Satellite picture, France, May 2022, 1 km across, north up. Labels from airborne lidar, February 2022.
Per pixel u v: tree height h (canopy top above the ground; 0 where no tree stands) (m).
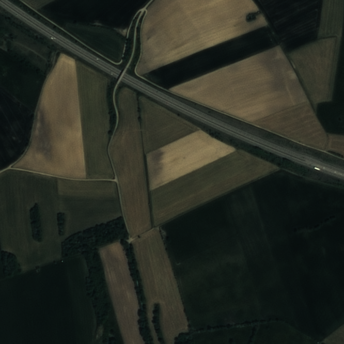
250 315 0
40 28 0
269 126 0
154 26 0
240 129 0
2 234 0
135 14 0
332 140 0
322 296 0
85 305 0
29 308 0
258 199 0
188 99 0
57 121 0
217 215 0
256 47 0
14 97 0
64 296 0
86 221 0
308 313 0
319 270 0
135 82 0
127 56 7
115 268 0
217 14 0
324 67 0
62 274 0
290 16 0
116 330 0
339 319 0
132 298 0
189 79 0
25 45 0
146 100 0
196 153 0
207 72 0
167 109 0
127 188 0
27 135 0
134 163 0
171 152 0
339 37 0
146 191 0
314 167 0
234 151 0
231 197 0
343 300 0
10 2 0
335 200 0
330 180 0
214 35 0
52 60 0
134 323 0
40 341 0
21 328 0
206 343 0
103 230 8
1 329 0
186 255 0
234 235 0
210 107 0
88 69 0
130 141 0
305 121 0
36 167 0
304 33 0
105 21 0
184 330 0
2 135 0
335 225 0
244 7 0
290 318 0
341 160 0
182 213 0
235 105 0
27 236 0
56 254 0
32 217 8
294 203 0
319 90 0
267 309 0
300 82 0
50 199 0
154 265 0
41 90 0
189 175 0
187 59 0
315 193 0
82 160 0
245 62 0
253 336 9
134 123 0
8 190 0
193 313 0
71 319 0
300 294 0
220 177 0
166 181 0
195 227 0
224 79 0
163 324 0
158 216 0
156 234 0
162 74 0
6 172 0
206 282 0
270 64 0
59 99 0
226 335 0
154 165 0
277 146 0
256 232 0
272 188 0
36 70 10
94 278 11
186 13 0
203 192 0
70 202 0
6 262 18
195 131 0
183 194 0
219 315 0
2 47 0
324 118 0
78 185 0
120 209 0
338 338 0
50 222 0
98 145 0
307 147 0
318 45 0
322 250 0
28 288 0
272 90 0
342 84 0
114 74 0
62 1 0
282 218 0
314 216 0
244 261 0
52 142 0
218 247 0
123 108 0
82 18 0
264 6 0
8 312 0
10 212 0
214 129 0
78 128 0
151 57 0
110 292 0
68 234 0
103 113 0
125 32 0
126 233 13
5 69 0
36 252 0
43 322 0
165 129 0
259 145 0
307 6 0
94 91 0
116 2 0
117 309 0
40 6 0
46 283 0
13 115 0
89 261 12
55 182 0
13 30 0
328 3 0
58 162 0
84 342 0
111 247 0
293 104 0
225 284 0
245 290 0
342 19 0
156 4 0
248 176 0
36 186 0
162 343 10
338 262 0
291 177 0
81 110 0
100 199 0
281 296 0
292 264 0
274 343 0
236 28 0
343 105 0
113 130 0
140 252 0
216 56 0
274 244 0
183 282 0
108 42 0
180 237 0
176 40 0
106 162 0
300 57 0
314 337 0
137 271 13
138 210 0
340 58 0
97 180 0
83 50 0
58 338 0
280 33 0
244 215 0
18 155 0
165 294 0
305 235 0
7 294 0
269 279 0
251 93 0
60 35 0
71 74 0
